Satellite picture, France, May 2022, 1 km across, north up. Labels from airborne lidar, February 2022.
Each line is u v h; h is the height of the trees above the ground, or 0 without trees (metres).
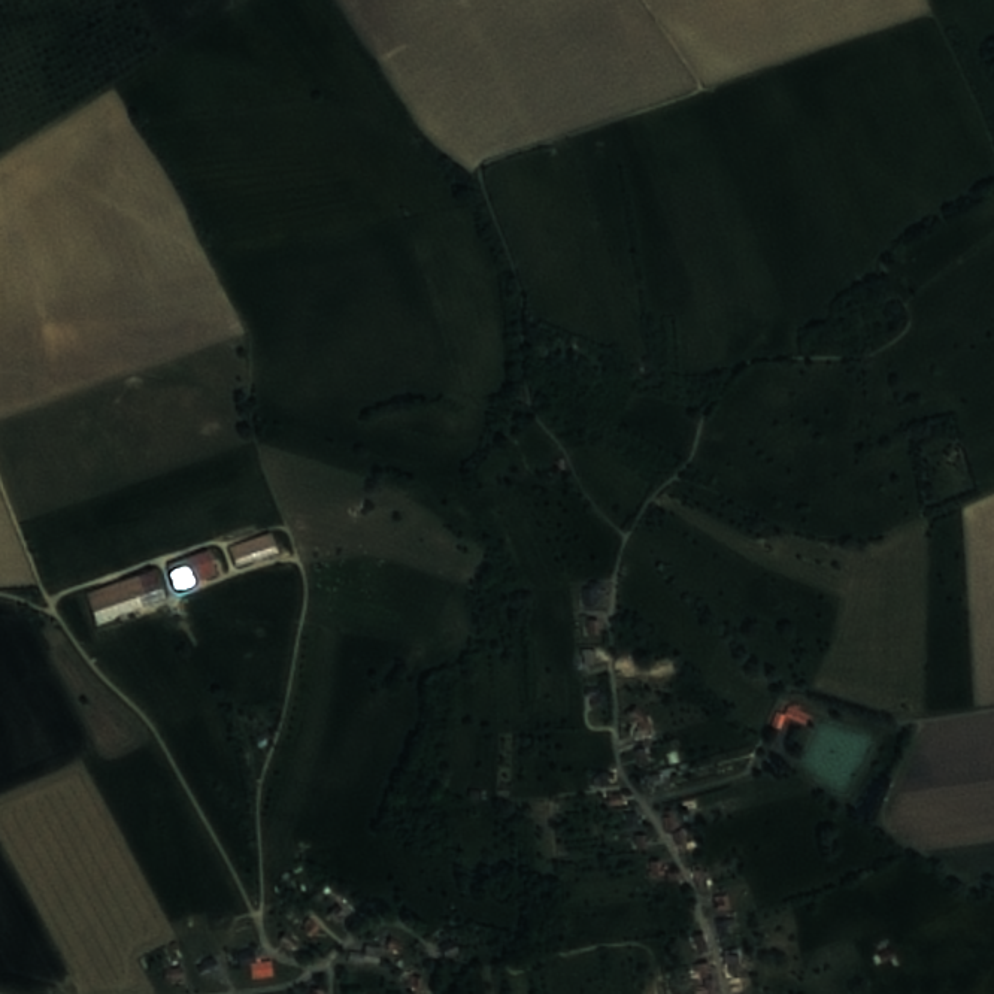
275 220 0
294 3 0
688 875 0
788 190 0
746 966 0
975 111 0
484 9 0
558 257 0
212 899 0
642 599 0
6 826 0
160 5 0
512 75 0
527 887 16
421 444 0
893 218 0
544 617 0
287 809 0
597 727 0
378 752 0
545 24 0
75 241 0
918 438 8
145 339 0
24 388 0
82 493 0
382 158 0
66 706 0
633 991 0
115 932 0
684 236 0
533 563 0
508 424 8
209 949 0
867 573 0
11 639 0
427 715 13
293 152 0
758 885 0
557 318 0
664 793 0
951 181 0
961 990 0
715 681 0
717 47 0
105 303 0
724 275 0
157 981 0
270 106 0
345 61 0
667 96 0
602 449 10
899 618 0
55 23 0
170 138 0
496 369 0
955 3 0
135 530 0
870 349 5
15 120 0
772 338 0
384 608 0
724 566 0
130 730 0
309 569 0
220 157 0
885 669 0
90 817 0
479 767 8
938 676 0
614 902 0
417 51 0
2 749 0
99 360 0
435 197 0
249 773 8
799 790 0
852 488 0
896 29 0
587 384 7
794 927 0
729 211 0
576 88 0
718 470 0
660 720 0
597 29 0
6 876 0
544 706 0
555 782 0
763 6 0
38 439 0
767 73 0
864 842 0
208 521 0
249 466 0
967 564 0
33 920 0
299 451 0
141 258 0
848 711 12
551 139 0
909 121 0
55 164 0
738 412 0
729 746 0
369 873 0
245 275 0
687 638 0
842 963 0
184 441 0
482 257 0
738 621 0
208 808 0
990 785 0
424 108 0
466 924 6
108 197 0
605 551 0
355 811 0
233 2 0
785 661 0
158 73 0
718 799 0
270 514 0
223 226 0
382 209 0
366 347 0
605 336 0
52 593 0
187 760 0
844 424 0
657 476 6
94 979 0
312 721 0
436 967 15
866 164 0
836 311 9
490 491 0
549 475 12
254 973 0
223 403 0
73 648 0
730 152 0
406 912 9
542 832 8
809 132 0
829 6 0
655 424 0
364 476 0
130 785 0
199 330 0
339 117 0
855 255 0
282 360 0
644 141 0
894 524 0
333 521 0
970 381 0
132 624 0
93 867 0
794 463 0
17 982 0
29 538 7
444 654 0
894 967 0
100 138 0
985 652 0
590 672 0
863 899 0
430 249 0
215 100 0
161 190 0
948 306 0
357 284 0
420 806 9
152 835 0
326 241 0
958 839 0
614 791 0
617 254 0
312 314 0
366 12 0
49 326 0
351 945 0
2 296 0
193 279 0
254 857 0
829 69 0
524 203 0
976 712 0
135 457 0
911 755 0
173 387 0
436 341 0
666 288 0
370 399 0
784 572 0
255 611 0
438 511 0
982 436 0
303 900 7
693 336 0
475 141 0
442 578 0
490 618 8
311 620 0
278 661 0
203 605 0
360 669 0
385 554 0
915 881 0
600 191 0
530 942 14
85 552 0
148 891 0
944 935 0
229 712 10
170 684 0
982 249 0
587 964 0
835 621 0
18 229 0
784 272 0
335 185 0
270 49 0
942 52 0
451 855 9
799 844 0
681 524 0
